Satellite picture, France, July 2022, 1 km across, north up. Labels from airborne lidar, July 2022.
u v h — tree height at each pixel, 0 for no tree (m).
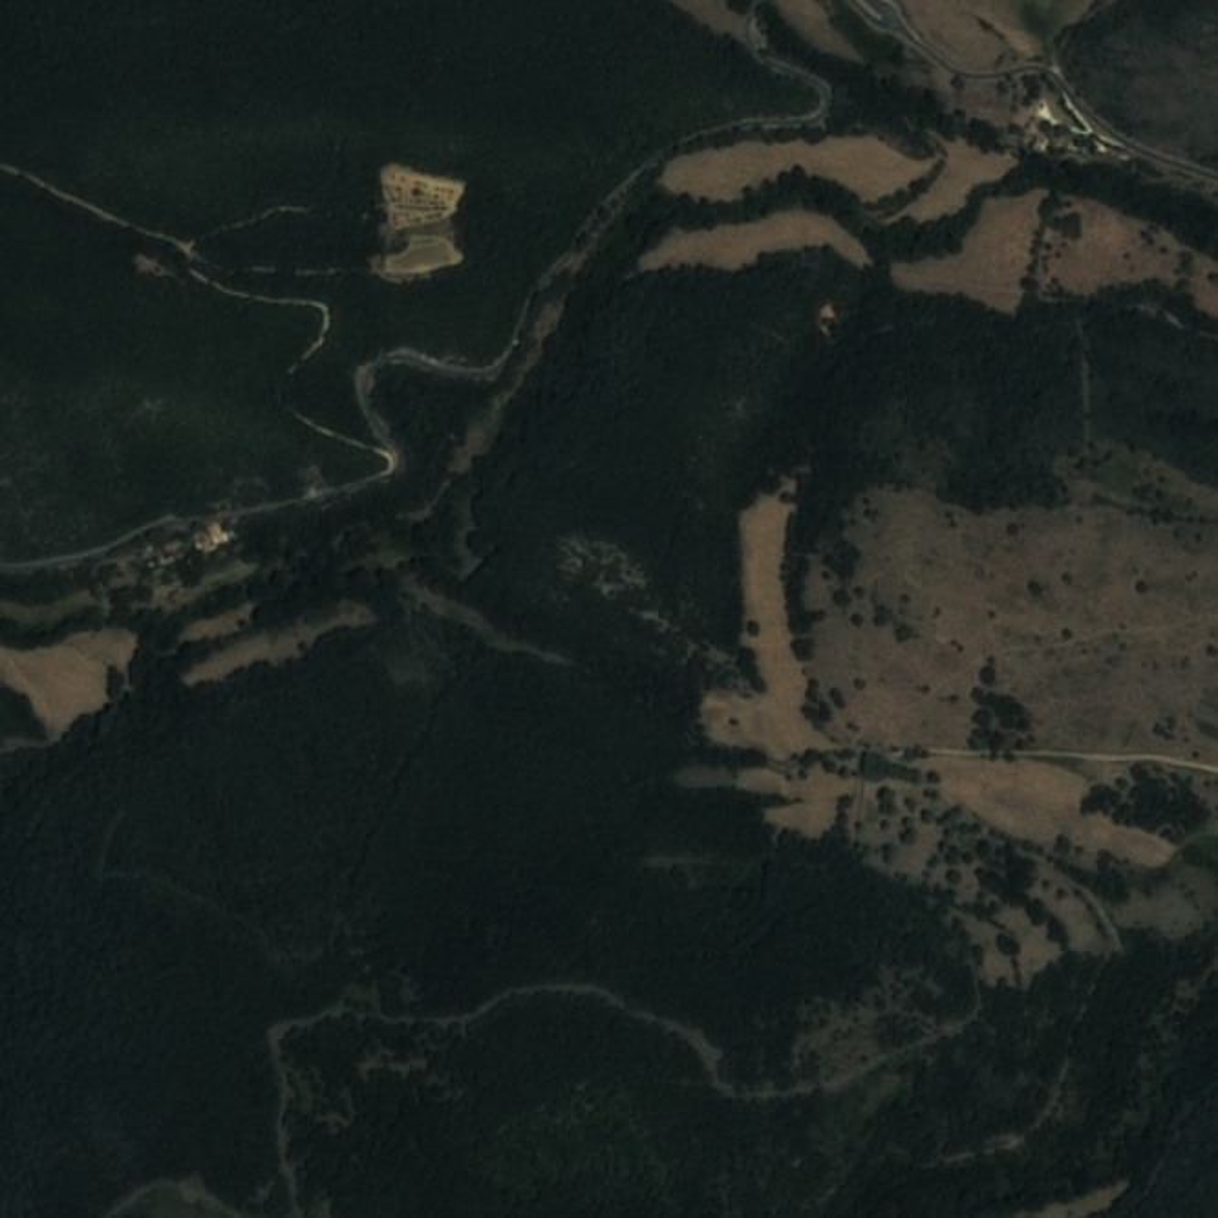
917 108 11
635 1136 12
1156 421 11
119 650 0
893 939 8
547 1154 9
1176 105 0
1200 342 8
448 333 7
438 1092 10
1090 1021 14
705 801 9
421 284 9
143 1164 5
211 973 8
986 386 10
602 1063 10
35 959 8
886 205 8
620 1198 12
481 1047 8
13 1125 9
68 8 9
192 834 6
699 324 9
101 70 8
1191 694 0
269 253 11
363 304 10
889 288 9
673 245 0
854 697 0
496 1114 7
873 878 7
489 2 8
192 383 6
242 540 9
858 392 12
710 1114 9
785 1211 9
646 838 9
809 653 8
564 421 9
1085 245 0
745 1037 8
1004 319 9
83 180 6
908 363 9
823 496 9
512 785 9
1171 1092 8
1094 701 0
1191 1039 10
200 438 6
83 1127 7
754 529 0
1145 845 0
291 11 6
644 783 14
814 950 9
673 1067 9
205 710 14
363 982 8
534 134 7
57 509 6
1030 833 0
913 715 0
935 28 0
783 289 9
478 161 8
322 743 8
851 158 0
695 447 6
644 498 8
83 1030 6
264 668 11
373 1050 10
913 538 0
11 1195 8
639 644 6
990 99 0
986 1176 13
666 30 6
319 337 7
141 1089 5
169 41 9
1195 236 11
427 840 10
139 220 7
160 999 6
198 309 6
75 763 12
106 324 7
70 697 0
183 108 7
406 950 11
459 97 9
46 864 8
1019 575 0
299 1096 6
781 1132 7
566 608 8
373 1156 12
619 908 7
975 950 7
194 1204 0
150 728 13
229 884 7
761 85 8
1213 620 0
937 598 0
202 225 11
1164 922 0
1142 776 9
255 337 8
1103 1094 7
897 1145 11
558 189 11
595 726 8
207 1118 8
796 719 0
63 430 6
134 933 7
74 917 8
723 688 7
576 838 13
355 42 9
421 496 7
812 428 9
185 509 11
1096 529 0
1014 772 0
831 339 10
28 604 9
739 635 8
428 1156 10
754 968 12
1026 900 11
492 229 12
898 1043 7
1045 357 11
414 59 12
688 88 6
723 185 0
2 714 7
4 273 6
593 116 9
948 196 0
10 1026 10
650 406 8
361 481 9
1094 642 0
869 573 0
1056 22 0
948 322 9
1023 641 0
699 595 7
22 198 7
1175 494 0
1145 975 11
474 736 10
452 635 11
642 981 9
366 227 8
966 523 0
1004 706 10
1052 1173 10
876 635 0
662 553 8
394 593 6
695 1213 12
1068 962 11
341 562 17
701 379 7
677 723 13
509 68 11
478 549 17
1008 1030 13
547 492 9
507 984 9
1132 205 12
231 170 7
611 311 8
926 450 6
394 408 6
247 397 9
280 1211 9
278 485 6
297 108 8
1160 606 0
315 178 9
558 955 8
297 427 8
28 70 6
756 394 6
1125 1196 11
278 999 9
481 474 11
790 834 7
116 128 6
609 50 7
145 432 7
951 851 8
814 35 0
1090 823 0
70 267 7
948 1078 9
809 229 0
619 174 8
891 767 11
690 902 9
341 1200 10
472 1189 16
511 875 14
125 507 7
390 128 6
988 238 0
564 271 7
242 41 7
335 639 13
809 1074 8
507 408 8
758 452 14
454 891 13
